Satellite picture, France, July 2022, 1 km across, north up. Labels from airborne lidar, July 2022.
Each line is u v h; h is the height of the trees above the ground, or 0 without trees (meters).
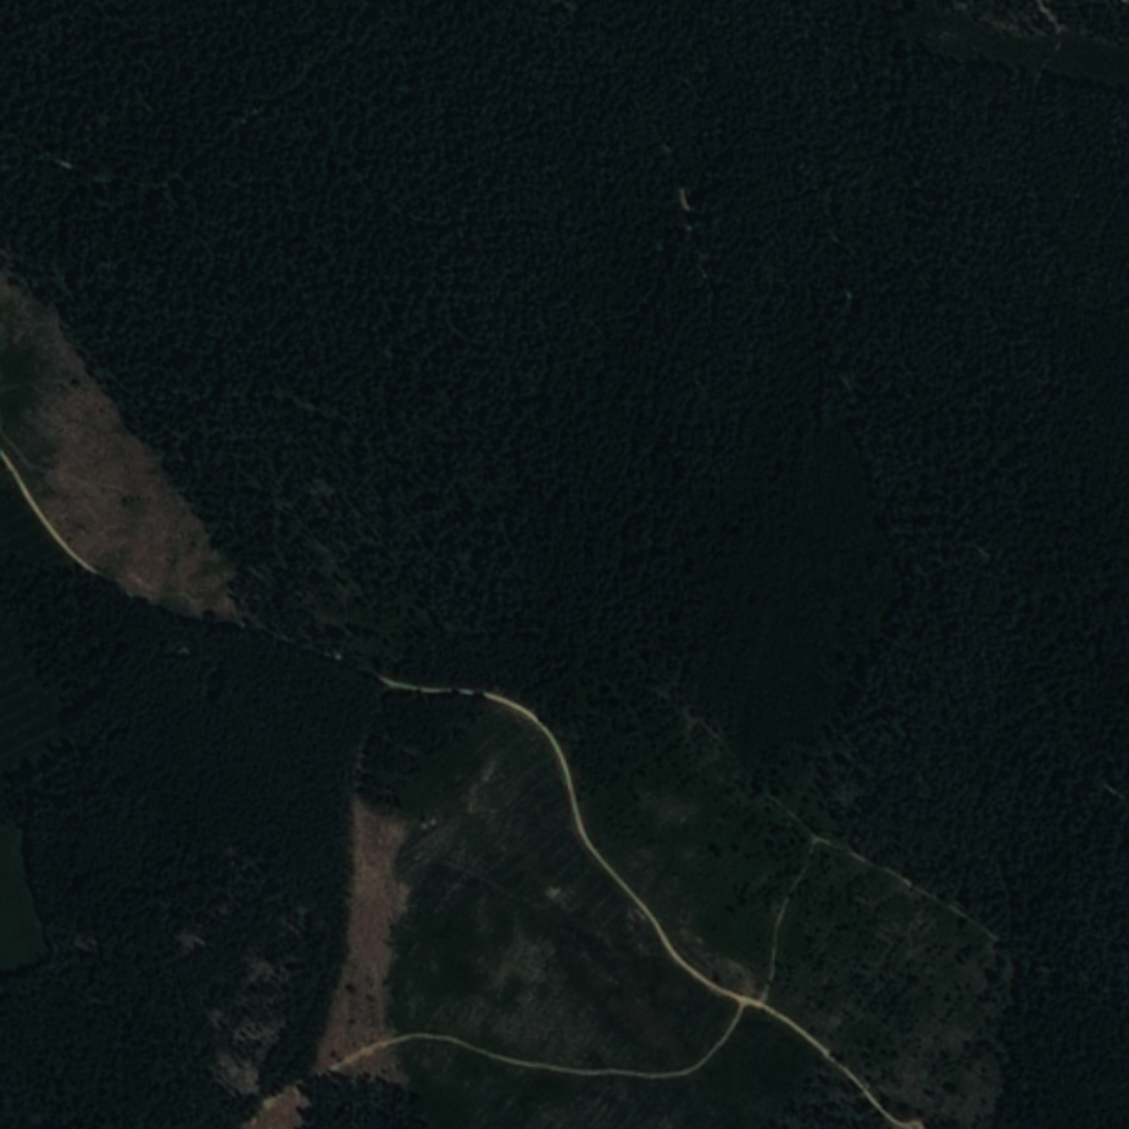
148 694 28
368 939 0
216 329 34
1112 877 26
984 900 28
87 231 15
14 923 0
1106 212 19
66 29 28
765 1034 0
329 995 18
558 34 21
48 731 0
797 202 23
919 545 30
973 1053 13
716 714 13
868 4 16
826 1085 21
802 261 21
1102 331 17
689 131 22
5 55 14
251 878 27
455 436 22
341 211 27
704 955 0
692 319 14
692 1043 0
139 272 29
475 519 32
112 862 29
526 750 0
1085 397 20
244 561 22
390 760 17
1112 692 20
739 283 20
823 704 6
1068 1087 14
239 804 28
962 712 15
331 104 27
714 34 22
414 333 11
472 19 29
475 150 19
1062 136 25
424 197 14
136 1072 16
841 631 7
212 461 21
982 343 28
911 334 27
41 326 0
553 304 24
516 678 16
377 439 27
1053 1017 17
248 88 21
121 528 0
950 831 26
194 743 27
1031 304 21
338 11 13
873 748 32
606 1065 0
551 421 21
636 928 0
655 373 14
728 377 20
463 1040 0
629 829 6
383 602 21
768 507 12
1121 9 21
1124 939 27
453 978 0
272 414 18
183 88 23
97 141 17
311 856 23
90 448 0
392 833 0
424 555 33
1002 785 25
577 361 12
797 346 16
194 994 18
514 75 18
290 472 19
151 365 14
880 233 28
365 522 6
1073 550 19
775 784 9
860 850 25
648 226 16
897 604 18
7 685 0
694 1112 0
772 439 13
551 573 15
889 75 15
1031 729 17
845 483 7
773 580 13
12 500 0
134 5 26
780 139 21
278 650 27
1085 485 15
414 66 13
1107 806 23
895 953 7
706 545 17
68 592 19
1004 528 19
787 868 7
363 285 20
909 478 16
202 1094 15
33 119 27
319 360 23
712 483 19
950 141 26
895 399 23
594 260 17
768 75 20
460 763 0
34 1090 22
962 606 23
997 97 24
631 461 24
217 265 17
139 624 24
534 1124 0
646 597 27
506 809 0
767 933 0
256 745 25
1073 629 16
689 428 19
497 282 18
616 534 19
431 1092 0
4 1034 23
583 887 0
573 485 17
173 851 20
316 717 27
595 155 26
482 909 0
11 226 16
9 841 0
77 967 18
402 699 16
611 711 19
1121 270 13
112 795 31
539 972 0
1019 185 24
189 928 18
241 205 18
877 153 21
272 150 18
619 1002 0
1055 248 20
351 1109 28
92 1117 15
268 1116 0
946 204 22
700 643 13
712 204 27
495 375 24
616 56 25
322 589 24
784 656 5
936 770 23
